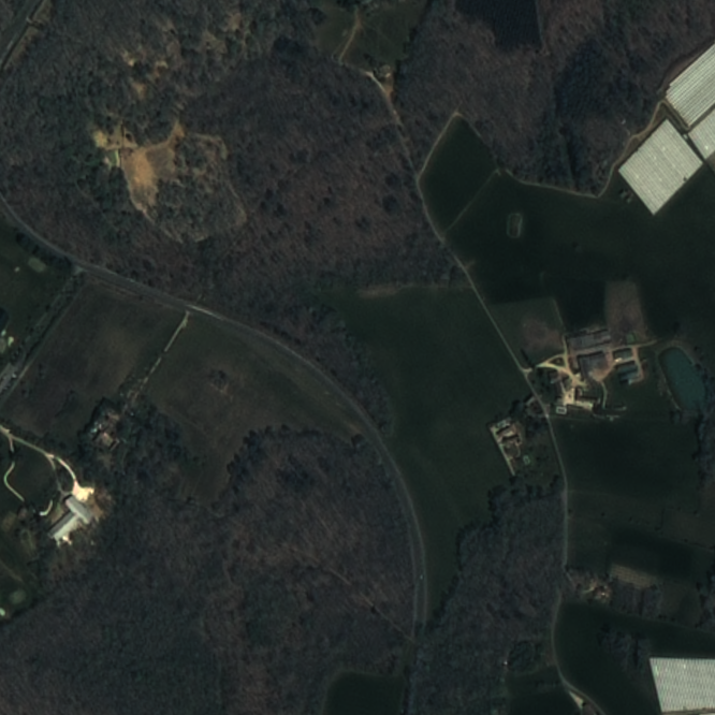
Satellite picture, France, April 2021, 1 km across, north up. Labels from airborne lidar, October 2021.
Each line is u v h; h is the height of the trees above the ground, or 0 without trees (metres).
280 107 14
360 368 13
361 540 16
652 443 0
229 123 8
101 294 0
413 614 18
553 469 0
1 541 0
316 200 10
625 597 10
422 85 21
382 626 8
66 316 0
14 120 15
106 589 18
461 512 0
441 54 17
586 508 0
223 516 14
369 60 12
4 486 0
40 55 21
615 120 23
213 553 19
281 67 18
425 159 12
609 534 0
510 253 0
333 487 19
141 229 20
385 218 16
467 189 0
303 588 19
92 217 18
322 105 14
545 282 0
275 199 16
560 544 23
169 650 23
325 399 0
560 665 0
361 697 0
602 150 9
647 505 0
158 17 19
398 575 19
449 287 14
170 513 16
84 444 11
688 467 0
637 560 0
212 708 15
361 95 13
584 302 0
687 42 11
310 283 19
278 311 15
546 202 0
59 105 19
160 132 12
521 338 0
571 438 0
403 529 16
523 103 22
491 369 0
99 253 17
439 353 0
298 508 16
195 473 0
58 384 0
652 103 10
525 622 23
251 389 0
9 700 16
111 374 0
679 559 0
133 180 0
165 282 16
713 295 0
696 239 0
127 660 21
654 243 0
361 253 17
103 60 13
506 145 22
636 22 15
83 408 0
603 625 0
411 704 20
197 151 13
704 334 0
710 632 16
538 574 17
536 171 11
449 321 0
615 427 0
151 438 14
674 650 0
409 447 0
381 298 0
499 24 10
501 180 0
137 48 17
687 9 14
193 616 13
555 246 0
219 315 0
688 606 0
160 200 12
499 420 6
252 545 7
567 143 26
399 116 11
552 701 0
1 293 0
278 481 20
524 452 0
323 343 9
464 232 0
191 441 0
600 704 0
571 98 29
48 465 0
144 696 19
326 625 16
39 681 21
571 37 16
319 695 18
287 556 21
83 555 15
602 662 0
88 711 23
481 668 25
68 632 22
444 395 0
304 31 21
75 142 19
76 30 22
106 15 19
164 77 13
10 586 0
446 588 0
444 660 18
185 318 0
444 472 0
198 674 21
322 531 23
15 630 16
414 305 0
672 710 0
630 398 0
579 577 12
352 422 0
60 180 21
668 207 0
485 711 14
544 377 18
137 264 18
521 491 12
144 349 0
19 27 0
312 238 15
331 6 0
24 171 19
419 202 22
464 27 12
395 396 0
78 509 0
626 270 0
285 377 0
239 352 0
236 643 7
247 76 16
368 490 19
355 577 12
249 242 14
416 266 16
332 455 18
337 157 16
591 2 11
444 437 0
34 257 8
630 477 0
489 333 0
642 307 0
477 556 25
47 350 0
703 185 0
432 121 18
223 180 11
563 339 0
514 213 0
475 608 19
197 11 17
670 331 0
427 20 15
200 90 19
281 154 12
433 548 0
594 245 0
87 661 22
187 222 21
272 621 20
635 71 18
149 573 14
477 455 0
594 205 0
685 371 0
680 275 0
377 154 18
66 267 11
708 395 8
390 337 0
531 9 10
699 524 0
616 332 0
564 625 0
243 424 0
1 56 0
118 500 18
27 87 19
